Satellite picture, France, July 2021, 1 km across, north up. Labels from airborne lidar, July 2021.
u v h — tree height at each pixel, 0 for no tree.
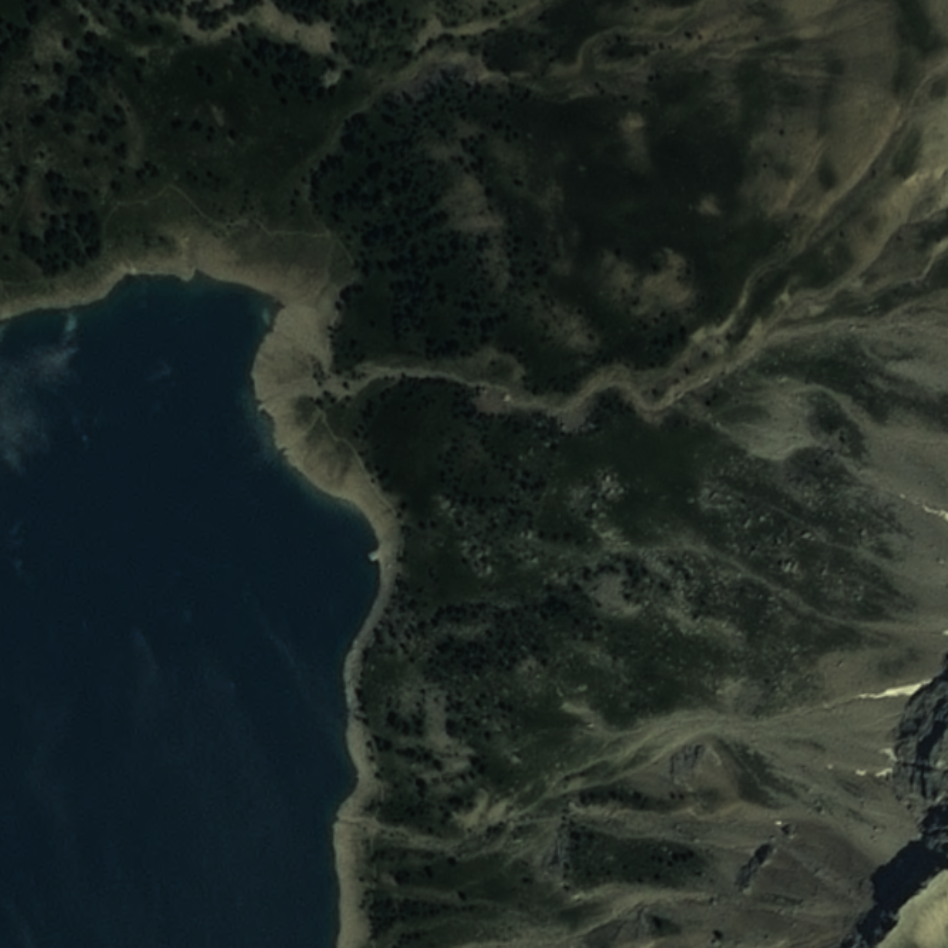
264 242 0
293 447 0
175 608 0
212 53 0
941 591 0
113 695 0
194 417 0
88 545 0
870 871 0
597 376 0
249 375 0
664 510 0
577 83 0
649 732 0
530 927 0
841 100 0
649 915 0
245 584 0
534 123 0
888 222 0
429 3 0
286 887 0
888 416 0
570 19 0
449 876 0
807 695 0
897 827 0
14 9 0
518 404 0
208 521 0
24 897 0
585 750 0
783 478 0
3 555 0
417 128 7
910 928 0
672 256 0
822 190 0
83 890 0
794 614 0
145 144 0
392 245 8
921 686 0
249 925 0
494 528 6
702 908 0
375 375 0
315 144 0
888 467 0
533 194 0
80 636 0
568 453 0
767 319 0
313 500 0
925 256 0
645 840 0
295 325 0
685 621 0
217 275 0
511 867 0
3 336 0
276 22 0
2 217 0
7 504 0
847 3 0
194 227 0
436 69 0
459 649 8
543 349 0
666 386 0
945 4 0
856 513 0
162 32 18
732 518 0
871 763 0
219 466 0
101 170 0
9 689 0
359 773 0
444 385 8
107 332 0
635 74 0
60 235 19
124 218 0
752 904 0
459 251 15
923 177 0
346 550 0
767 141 0
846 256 0
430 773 0
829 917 0
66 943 0
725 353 0
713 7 0
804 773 0
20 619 0
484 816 0
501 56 0
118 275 0
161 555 0
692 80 0
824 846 0
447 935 0
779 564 0
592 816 0
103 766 0
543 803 0
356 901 0
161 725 0
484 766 14
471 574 0
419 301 17
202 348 0
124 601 0
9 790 0
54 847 0
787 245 0
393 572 0
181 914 0
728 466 0
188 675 0
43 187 0
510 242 8
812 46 0
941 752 0
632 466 0
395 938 0
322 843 0
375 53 8
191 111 0
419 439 0
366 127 16
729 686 0
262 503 0
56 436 0
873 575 0
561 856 0
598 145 0
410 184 16
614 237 0
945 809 0
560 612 9
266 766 0
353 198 16
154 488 0
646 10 0
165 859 0
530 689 0
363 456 7
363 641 0
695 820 0
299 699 0
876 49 0
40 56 0
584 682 0
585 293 0
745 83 0
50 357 0
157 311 0
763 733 0
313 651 0
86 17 12
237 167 0
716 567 0
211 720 0
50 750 0
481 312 10
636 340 0
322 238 0
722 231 0
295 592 0
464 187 0
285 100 11
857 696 0
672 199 0
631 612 0
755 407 0
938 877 0
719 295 0
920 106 0
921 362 0
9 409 0
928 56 0
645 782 0
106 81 16
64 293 0
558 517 0
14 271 0
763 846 0
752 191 0
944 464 0
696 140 0
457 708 8
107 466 0
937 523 0
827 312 0
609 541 0
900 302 0
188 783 0
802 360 0
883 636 0
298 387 0
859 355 0
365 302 0
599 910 0
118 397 0
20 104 0
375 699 0
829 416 0
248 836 0
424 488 0
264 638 0
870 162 0
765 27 0
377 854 7
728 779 0
